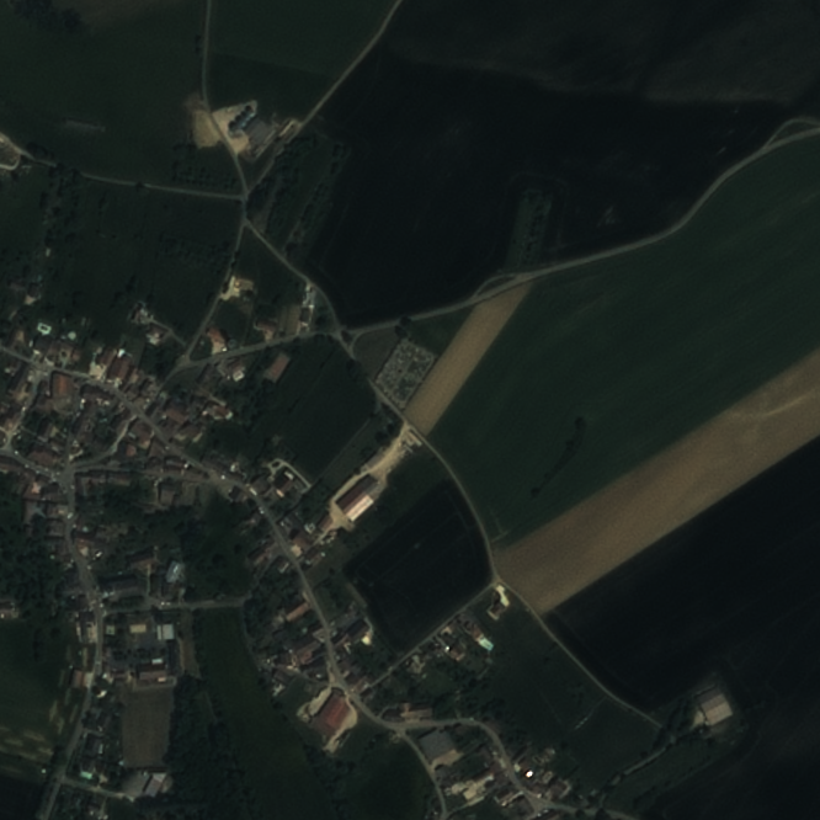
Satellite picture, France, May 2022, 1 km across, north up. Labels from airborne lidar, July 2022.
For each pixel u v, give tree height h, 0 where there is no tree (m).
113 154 0
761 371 0
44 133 0
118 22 0
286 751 0
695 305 0
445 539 0
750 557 0
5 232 0
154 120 0
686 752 0
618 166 0
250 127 0
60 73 0
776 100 0
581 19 0
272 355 10
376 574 0
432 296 0
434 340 0
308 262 0
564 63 0
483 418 0
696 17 0
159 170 0
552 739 0
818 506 0
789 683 0
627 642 0
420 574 0
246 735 0
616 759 0
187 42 0
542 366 0
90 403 0
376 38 0
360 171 0
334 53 0
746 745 0
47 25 42
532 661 0
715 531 0
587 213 0
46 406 0
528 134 0
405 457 0
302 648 0
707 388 0
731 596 0
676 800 0
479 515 0
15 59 0
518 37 0
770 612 0
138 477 7
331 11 0
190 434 0
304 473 0
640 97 0
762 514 0
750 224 0
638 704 0
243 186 0
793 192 0
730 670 0
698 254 0
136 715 0
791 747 0
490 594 0
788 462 0
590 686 0
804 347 0
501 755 0
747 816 0
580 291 0
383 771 0
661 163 0
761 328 0
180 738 22
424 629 0
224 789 24
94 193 0
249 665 0
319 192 6
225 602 0
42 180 0
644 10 0
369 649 0
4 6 0
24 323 7
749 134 0
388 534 0
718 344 0
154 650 7
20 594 10
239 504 11
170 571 0
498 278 0
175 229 0
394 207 0
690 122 0
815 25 0
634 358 0
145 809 21
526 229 0
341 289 0
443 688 0
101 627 0
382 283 0
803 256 0
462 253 0
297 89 0
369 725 0
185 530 8
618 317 0
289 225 0
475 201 0
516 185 0
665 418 0
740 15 0
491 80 0
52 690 0
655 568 0
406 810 0
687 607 0
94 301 0
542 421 0
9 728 0
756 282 0
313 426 0
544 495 0
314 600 0
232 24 0
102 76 0
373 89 0
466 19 0
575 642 0
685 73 0
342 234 0
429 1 0
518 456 0
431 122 0
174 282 0
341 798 10
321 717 0
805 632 0
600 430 0
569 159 0
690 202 0
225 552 0
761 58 0
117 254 0
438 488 0
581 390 0
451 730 7
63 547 0
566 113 0
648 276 0
